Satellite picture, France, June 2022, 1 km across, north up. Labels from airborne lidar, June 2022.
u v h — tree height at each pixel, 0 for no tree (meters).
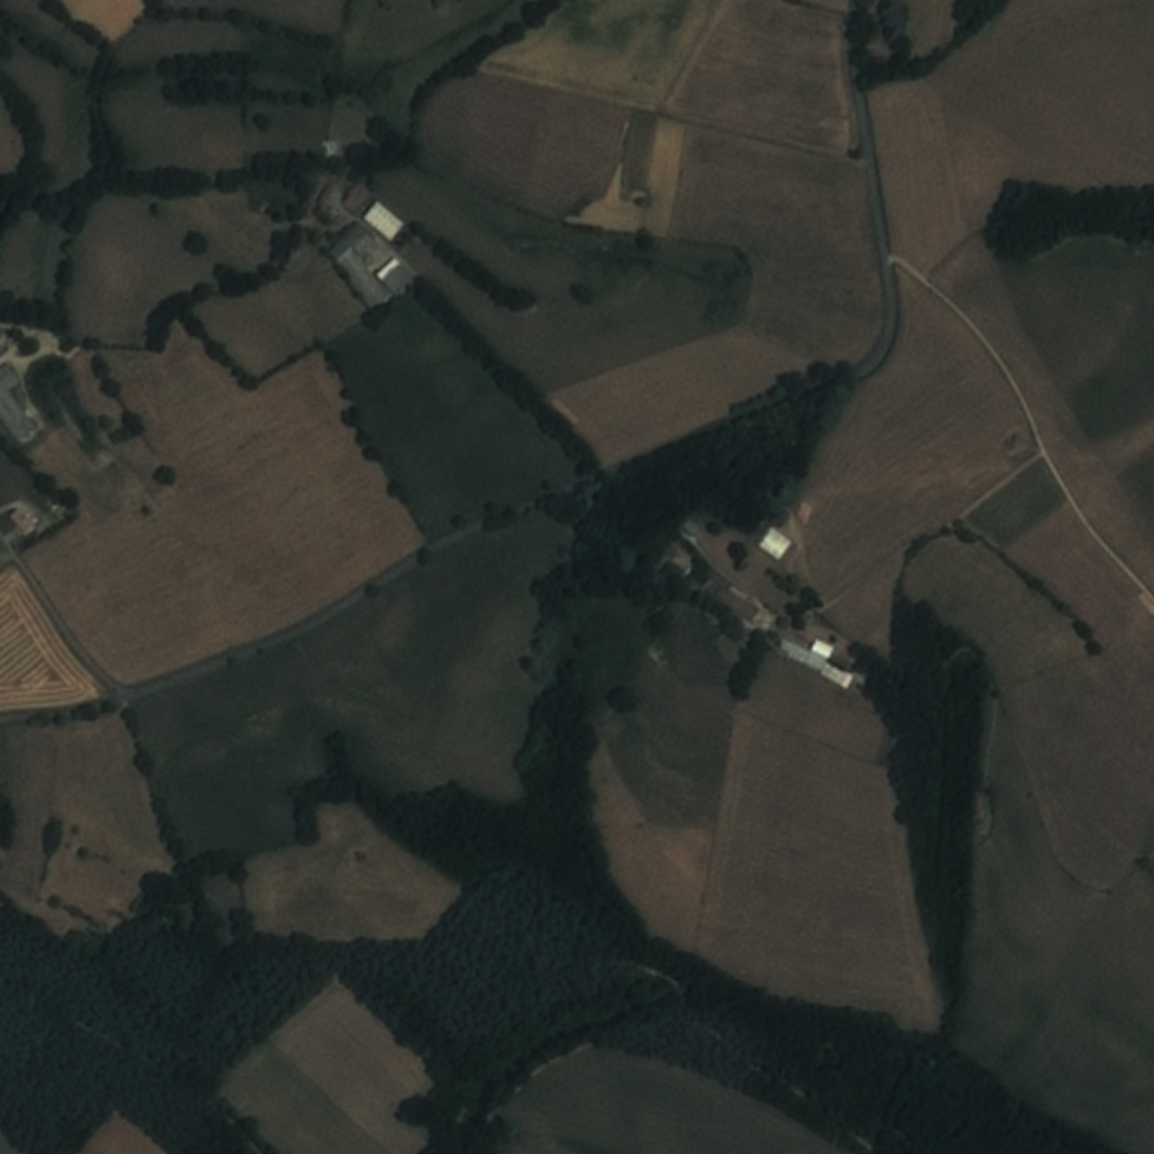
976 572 0
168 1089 18
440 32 0
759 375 0
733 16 0
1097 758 0
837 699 0
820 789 0
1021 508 0
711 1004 21
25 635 0
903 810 12
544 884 6
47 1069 21
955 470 0
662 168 0
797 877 0
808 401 13
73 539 0
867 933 0
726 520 17
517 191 0
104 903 0
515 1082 17
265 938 18
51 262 0
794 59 0
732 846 0
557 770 22
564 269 0
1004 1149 21
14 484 0
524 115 0
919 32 0
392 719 0
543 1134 0
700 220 0
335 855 0
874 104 0
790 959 0
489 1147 16
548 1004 25
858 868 0
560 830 9
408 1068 0
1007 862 0
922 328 0
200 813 0
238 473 0
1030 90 0
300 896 0
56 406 0
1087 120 0
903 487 0
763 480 24
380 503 0
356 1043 0
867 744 0
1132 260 0
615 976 25
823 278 0
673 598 21
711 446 17
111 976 20
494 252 0
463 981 27
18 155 0
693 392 0
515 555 0
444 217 0
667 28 0
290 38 11
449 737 0
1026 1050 0
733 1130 0
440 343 0
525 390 17
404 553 0
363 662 0
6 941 23
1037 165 0
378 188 6
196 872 18
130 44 0
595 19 0
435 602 0
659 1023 26
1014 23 0
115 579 0
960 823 12
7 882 0
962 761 11
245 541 0
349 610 0
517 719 0
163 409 0
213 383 0
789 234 0
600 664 0
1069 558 0
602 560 20
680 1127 0
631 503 19
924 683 23
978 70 0
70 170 0
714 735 0
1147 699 0
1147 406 0
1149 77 0
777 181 0
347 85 11
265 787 0
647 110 0
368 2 0
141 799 0
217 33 0
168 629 0
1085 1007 0
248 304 0
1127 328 0
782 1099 11
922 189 0
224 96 18
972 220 0
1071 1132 19
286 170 18
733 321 0
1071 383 0
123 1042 23
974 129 0
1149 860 9
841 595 0
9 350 0
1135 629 0
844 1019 23
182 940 20
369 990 20
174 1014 22
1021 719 0
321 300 0
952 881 7
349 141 0
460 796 8
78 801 0
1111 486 0
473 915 21
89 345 13
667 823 0
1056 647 0
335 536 0
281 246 20
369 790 21
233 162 0
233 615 0
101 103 12
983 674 12
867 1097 12
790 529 0
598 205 0
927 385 0
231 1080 0
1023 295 0
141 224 0
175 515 0
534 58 0
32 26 0
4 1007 24
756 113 0
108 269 0
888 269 0
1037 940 0
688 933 0
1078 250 0
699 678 0
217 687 0
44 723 11
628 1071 0
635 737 0
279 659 0
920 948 0
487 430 0
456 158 0
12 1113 18
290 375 0
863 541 0
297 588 0
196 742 0
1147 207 15
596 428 0
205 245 9
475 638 0
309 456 0
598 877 21
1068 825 0
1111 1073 0
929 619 17
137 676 0
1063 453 0
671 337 0
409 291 10
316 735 0
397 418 0
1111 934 0
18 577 0
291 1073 0
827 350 0
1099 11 0
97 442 0
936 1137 18
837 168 0
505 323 0
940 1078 23
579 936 27
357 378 0
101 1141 0
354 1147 0
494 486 0
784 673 0
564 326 0
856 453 0
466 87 0
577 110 0
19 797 0
